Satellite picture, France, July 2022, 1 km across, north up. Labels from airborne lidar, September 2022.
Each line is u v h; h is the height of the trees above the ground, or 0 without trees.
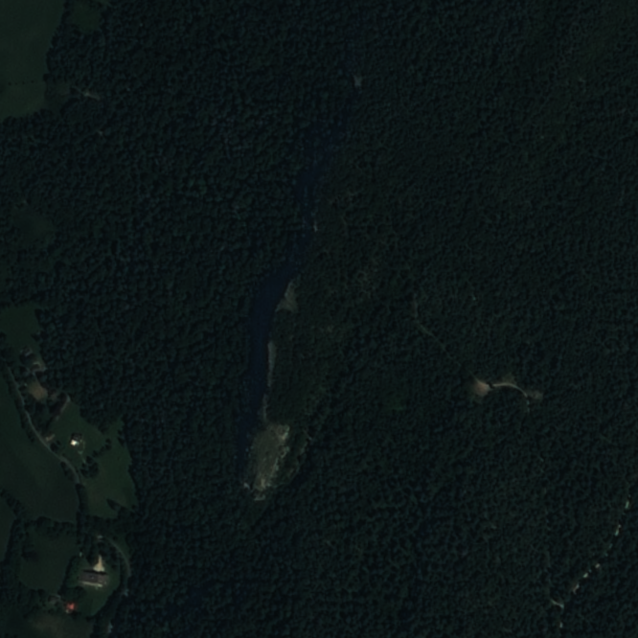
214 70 19
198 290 24
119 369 30
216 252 30
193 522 15
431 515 16
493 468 21
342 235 20
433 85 18
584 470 30
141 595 35
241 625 25
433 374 20
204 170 29
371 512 8
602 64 18
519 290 17
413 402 14
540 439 26
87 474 21
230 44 32
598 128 21
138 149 32
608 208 16
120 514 17
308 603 18
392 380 23
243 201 24
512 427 14
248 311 23
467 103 21
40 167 25
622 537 17
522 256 20
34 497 0
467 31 28
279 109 25
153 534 31
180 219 26
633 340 25
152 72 18
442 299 12
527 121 23
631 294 15
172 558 26
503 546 18
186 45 19
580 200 25
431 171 11
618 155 13
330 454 17
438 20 22
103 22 8
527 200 19
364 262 9
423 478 12
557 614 26
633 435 18
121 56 21
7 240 18
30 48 0
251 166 31
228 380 28
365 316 21
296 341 14
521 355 26
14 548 19
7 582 22
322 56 21
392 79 15
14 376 11
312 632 15
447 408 8
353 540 12
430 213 14
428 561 7
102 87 26
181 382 32
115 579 0
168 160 28
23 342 0
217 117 27
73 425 0
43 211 16
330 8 23
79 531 15
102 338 33
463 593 23
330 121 37
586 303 18
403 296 9
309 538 16
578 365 12
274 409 19
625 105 10
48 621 0
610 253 18
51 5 0
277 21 17
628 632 26
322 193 12
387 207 10
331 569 11
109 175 13
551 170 21
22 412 12
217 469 26
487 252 15
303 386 15
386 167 10
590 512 17
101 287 20
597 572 25
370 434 20
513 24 29
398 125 16
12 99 0
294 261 11
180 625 37
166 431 23
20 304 16
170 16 15
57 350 10
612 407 12
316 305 17
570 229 13
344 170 15
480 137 24
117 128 33
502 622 18
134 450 29
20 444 0
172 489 31
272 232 27
